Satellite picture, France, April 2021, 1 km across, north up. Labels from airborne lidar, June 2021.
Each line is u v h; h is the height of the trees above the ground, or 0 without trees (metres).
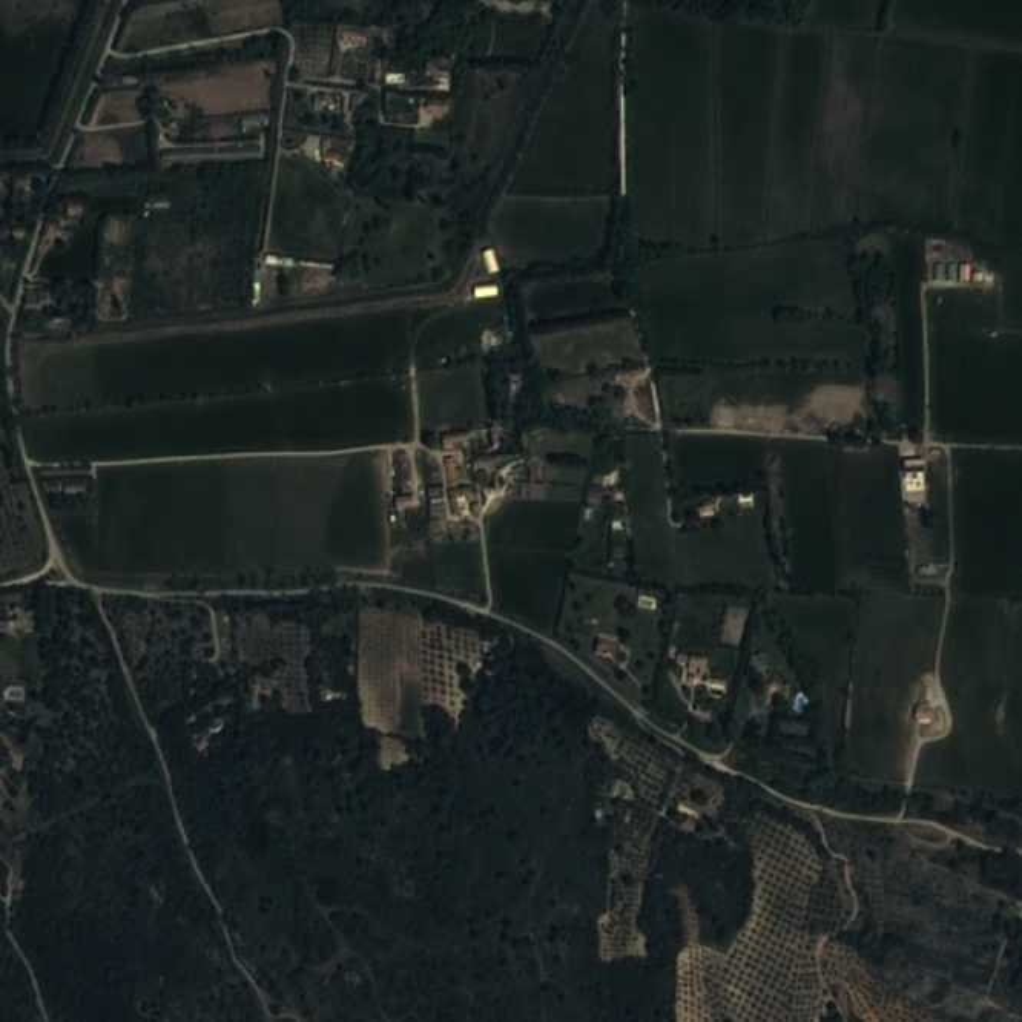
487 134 0
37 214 9
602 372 9
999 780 0
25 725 8
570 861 0
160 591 0
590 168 0
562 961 7
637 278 10
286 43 19
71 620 17
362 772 14
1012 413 0
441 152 11
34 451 0
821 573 0
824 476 0
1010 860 13
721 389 0
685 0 28
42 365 0
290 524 0
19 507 6
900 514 0
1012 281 0
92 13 14
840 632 0
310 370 0
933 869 0
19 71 0
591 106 0
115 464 0
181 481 0
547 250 0
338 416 0
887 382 0
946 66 0
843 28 0
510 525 0
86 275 0
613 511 12
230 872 0
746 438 0
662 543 0
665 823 8
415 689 0
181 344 0
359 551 0
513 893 0
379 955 0
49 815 6
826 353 0
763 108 0
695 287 0
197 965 0
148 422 0
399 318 0
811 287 0
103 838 10
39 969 6
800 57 0
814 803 11
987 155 0
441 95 8
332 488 0
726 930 10
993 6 0
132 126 0
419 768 9
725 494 16
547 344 0
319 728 6
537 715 10
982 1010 0
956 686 0
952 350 0
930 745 0
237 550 0
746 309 0
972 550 0
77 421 0
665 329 0
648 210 0
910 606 0
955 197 0
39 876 6
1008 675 0
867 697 0
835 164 0
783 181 0
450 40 12
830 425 0
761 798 7
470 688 15
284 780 0
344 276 14
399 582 0
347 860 0
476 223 11
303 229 0
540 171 0
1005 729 0
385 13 6
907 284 0
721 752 0
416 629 0
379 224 10
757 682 12
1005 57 0
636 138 0
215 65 10
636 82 10
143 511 0
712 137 0
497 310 0
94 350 0
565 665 0
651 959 6
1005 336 0
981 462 0
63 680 8
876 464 0
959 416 0
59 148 0
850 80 0
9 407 6
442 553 0
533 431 10
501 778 0
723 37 0
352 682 6
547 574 0
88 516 0
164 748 6
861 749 0
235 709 6
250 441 0
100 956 6
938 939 0
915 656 0
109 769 6
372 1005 0
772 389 0
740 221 0
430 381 0
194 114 7
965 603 0
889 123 0
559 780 0
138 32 0
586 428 17
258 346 0
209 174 10
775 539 15
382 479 0
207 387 0
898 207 0
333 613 10
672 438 12
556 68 8
